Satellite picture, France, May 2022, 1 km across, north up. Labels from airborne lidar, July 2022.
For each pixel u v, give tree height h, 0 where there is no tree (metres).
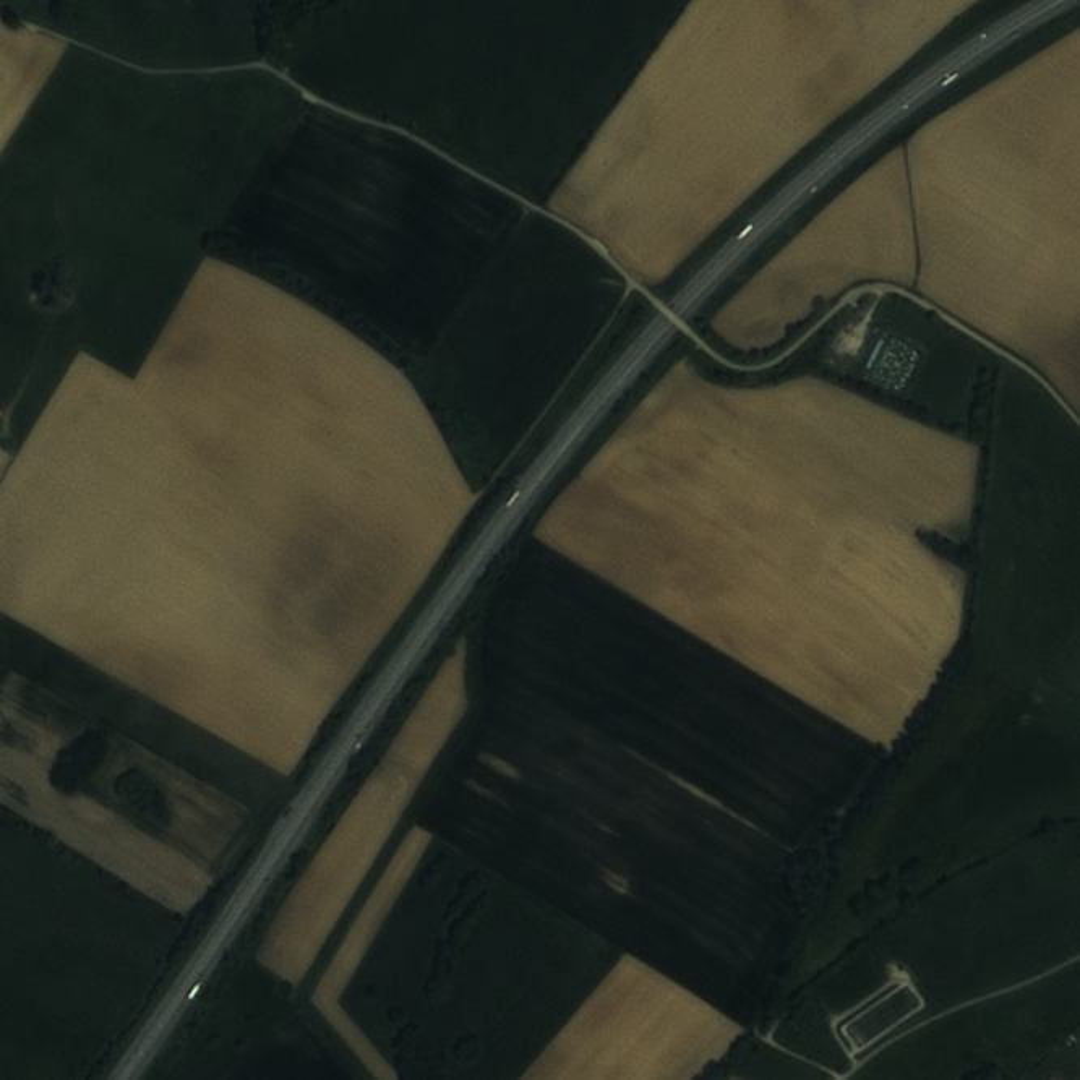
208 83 0
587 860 0
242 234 0
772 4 0
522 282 0
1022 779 0
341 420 0
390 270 0
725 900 0
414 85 0
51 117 0
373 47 0
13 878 0
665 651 0
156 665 0
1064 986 0
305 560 0
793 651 0
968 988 0
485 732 0
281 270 6
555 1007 0
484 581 11
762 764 0
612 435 0
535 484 0
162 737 0
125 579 0
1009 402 0
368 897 0
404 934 0
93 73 0
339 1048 0
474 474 5
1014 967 0
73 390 0
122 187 0
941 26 0
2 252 0
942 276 0
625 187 0
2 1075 0
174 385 0
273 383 0
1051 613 0
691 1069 0
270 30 18
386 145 0
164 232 0
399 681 0
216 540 0
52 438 0
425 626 0
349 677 0
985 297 0
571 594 0
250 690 0
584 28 0
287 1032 0
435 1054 15
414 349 0
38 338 0
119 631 0
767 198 0
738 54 0
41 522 0
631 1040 0
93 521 0
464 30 0
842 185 0
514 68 0
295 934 0
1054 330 0
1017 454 0
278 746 0
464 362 0
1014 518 0
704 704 0
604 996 0
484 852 0
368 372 0
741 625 0
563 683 0
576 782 0
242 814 0
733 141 0
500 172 0
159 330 0
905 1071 0
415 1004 0
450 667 0
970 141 0
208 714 0
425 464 0
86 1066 8
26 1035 0
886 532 0
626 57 0
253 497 0
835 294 0
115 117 0
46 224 0
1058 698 0
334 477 0
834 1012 0
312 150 0
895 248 0
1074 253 0
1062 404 0
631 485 0
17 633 0
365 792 0
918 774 0
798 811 0
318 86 0
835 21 0
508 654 0
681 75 0
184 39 0
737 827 0
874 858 0
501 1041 0
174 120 0
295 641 0
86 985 0
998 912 0
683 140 0
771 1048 0
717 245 0
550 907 0
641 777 0
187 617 0
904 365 0
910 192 0
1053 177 0
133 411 0
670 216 0
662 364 0
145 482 0
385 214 0
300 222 0
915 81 0
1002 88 0
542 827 0
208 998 9
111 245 0
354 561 0
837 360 0
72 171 0
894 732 0
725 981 0
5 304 0
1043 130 0
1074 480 0
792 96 0
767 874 0
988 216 0
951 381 0
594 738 0
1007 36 0
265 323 0
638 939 0
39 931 0
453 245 0
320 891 0
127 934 0
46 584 0
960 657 17
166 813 8
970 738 0
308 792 0
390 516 0
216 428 0
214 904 11
